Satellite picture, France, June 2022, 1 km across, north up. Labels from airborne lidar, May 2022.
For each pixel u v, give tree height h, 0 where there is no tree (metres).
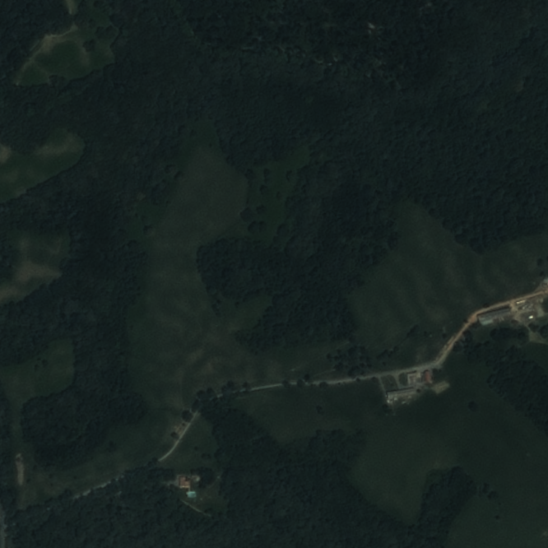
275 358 0
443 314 0
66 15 28
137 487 20
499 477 0
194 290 0
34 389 0
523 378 14
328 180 23
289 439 0
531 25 29
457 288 0
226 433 16
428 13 36
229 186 0
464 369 0
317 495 25
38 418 19
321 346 0
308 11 30
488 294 0
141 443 0
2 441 20
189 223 0
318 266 9
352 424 0
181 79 31
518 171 9
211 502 0
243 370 0
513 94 7
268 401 0
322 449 12
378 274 0
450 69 24
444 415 0
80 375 18
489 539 0
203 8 25
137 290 10
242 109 8
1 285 23
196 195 0
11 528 14
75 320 26
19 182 0
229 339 0
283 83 20
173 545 24
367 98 25
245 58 30
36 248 0
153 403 0
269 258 18
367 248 16
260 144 8
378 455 0
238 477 26
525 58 23
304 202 12
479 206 13
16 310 15
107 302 28
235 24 30
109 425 16
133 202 19
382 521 5
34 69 0
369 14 13
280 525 15
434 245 0
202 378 0
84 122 19
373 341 0
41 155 0
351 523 26
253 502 14
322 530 26
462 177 10
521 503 0
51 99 20
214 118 16
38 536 28
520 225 14
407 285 0
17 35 32
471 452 0
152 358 0
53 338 15
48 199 22
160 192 19
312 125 12
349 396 0
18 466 0
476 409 17
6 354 13
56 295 22
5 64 29
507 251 0
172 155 15
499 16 17
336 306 18
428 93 31
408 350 0
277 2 23
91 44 9
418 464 0
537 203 7
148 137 24
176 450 0
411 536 22
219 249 18
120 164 21
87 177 27
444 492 23
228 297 9
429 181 8
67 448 20
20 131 21
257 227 15
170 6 25
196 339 0
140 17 21
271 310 13
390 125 12
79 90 27
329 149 12
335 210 21
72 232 15
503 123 7
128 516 22
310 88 29
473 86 15
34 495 0
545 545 0
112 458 0
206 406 17
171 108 22
